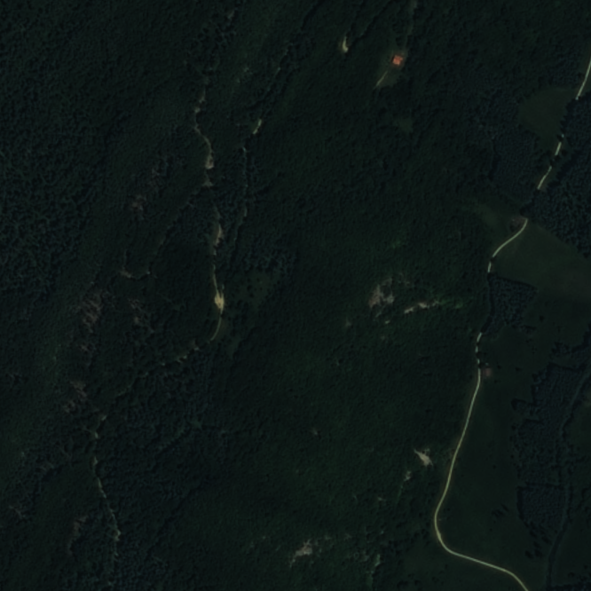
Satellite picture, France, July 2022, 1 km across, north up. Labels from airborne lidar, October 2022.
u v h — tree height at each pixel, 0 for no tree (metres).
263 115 19
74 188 20
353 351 24
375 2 32
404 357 22
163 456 20
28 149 26
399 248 18
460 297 23
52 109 17
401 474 17
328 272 22
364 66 26
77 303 11
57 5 16
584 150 29
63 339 16
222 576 22
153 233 20
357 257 20
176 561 15
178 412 20
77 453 28
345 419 9
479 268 26
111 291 25
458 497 0
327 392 15
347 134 28
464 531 0
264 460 21
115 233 24
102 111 18
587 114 30
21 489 23
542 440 12
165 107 11
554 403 26
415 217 33
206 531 19
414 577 9
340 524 14
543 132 0
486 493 0
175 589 21
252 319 12
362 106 26
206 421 16
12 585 14
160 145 21
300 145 21
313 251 16
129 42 19
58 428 21
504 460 0
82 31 26
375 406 17
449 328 23
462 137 22
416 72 23
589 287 0
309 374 12
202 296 17
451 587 0
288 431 20
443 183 24
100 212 13
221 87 10
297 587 10
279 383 21
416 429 21
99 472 24
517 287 25
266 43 12
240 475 27
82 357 24
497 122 25
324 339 21
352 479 19
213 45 22
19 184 24
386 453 15
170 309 16
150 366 19
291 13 13
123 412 23
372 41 26
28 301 27
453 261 21
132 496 29
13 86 15
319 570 16
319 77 21
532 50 9
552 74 28
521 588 0
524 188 30
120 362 27
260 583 15
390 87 8
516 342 0
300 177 21
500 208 0
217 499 28
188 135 28
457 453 0
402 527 23
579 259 0
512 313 19
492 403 0
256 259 27
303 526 14
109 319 22
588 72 0
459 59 34
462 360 25
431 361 27
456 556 0
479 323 6
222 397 21
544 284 0
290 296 23
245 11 15
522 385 0
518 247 0
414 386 20
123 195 15
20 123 15
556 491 25
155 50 20
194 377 22
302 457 16
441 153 27
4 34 14
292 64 16
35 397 19
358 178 18
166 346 30
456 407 18
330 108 27
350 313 10
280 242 30
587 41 18
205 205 24
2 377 29
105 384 23
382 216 31
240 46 13
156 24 21
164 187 21
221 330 0
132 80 24
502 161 30
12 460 15
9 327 30
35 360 17
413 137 21
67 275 15
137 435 22
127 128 22
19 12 8
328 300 20
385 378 16
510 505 0
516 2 16
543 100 0
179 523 24
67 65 19
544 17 19
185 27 24
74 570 23
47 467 29
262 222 27
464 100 31
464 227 22
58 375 7
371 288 12
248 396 20
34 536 22
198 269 13
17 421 13
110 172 13
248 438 8
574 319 0
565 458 19
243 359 23
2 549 23
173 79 22
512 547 0
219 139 15
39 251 30
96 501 26
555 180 0
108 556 21
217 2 23
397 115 13
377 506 13
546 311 0
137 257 22
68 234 33
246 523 18
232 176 24
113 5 24
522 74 23
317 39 24
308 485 14
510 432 0
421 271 18
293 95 18
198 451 25
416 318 13
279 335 21
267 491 27
